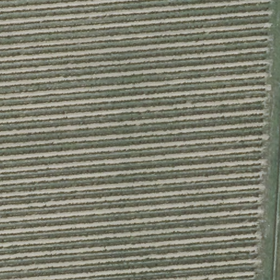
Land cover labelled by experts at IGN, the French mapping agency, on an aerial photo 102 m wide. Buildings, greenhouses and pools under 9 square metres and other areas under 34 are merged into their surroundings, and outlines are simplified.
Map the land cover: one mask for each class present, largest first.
<instances>
[{"label":"vineyard","instance_id":"1","mask_svg":"<svg viewBox=\"0 0 280 280\"><path fill-rule=\"evenodd\" d=\"M0 280H280V0H0Z\"/></svg>","mask_w":280,"mask_h":280}]
</instances>
